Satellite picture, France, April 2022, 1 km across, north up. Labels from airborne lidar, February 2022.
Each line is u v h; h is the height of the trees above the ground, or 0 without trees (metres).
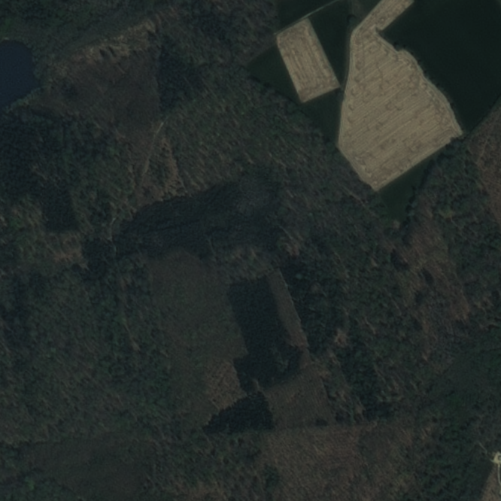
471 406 15
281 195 29
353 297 22
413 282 19
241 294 14
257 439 20
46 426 27
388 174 0
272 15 30
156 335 21
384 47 0
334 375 25
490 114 7
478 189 27
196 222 16
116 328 21
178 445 25
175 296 18
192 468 23
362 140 0
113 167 24
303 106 0
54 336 29
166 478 25
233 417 18
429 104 0
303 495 18
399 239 23
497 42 0
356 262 27
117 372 23
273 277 11
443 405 27
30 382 25
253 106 28
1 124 28
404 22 0
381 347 29
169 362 23
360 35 0
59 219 22
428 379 26
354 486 18
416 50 0
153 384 25
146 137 13
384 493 17
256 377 17
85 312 22
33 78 0
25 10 19
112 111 17
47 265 25
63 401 25
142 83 14
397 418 18
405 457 20
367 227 17
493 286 27
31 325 26
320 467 12
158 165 7
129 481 16
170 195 9
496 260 28
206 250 24
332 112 0
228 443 27
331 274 24
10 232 20
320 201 29
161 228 26
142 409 28
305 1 0
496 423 17
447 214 28
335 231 28
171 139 20
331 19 0
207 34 30
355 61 0
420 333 18
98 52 0
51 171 22
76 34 21
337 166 30
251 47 26
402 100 0
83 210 24
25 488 28
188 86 28
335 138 0
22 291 28
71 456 12
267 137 27
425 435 32
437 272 19
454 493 26
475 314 22
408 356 29
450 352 21
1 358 28
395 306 27
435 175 28
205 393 14
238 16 29
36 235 29
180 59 23
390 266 24
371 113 0
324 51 0
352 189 29
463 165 25
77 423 26
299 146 28
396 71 0
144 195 13
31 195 22
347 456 14
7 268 25
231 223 17
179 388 12
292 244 27
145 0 20
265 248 19
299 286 14
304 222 25
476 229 25
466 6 0
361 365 24
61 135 27
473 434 19
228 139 26
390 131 0
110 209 18
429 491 27
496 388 22
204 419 14
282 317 9
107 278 24
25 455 18
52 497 26
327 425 10
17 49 0
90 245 28
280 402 10
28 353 26
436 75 0
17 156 24
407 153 0
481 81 0
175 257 17
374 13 0
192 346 17
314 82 0
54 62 13
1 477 26
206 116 24
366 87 0
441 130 0
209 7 25
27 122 28
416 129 0
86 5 18
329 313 22
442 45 0
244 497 29
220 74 25
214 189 10
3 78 0
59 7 18
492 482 0
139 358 22
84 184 25
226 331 17
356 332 23
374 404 24
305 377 8
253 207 21
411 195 0
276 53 0
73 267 22
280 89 0
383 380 26
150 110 11
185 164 26
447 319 23
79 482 12
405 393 26
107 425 26
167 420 27
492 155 7
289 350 21
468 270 27
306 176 30
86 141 20
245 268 27
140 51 0
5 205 20
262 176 18
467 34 0
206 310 15
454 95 0
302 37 0
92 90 18
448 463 27
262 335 18
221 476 28
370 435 14
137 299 27
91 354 28
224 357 13
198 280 17
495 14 0
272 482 18
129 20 23
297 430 17
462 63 0
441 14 0
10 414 28
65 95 23
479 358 18
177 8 28
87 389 27
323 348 23
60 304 23
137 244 14
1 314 35
